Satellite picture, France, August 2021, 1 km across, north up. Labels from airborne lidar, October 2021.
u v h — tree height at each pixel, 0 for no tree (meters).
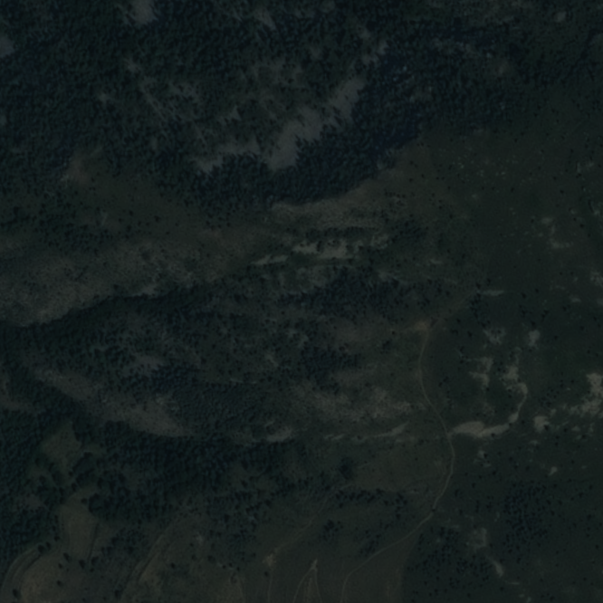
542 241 0
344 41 17
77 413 19
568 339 0
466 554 0
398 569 0
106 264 7
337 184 10
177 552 0
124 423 7
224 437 7
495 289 0
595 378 0
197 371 11
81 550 0
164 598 0
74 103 10
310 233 7
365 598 0
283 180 6
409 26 23
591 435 0
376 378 0
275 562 0
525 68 12
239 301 17
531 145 0
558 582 0
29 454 14
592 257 0
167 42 12
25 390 19
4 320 10
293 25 21
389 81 7
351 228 8
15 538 9
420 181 0
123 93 7
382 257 7
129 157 5
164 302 22
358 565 0
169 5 24
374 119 9
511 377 0
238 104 6
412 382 0
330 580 0
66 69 17
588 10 7
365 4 13
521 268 0
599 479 0
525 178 0
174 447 19
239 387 8
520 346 0
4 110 15
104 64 16
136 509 13
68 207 9
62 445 0
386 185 0
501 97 6
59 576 0
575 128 0
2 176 6
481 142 0
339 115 6
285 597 0
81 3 22
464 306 0
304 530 0
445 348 0
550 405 9
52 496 13
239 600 0
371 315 0
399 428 0
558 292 0
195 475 10
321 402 0
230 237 0
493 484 0
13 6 8
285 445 12
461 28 11
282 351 6
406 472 0
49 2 6
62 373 7
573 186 0
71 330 16
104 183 0
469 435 0
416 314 0
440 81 14
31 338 10
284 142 0
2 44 0
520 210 0
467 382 0
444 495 0
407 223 8
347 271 10
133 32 14
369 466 0
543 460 0
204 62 7
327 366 12
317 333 7
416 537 0
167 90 8
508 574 0
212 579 0
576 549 0
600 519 0
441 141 0
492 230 0
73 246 8
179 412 9
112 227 0
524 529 11
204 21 21
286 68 6
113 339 6
